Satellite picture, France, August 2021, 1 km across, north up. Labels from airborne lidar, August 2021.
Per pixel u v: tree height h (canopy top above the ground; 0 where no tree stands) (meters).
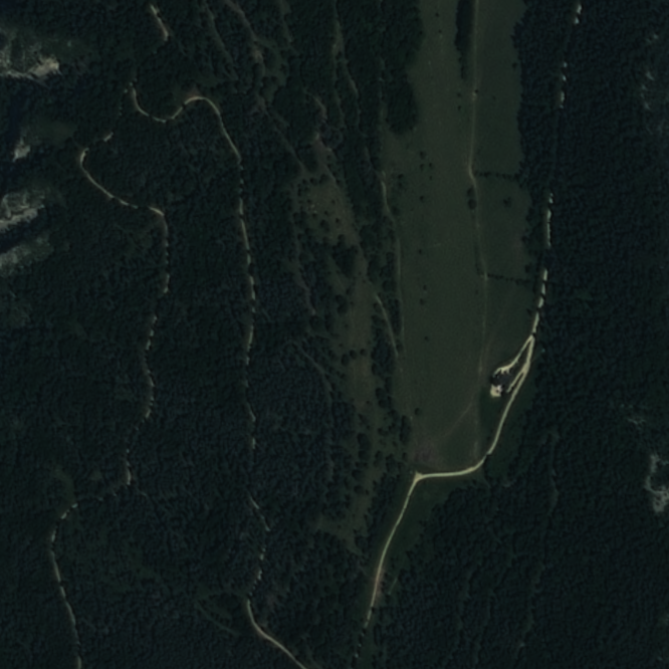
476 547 15
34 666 14
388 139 0
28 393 19
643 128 12
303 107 10
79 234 10
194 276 14
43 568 15
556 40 14
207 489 19
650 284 15
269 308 22
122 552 12
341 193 0
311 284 14
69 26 11
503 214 0
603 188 20
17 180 11
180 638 18
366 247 10
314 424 22
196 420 18
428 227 0
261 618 19
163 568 14
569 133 22
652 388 18
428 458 0
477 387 0
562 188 20
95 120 9
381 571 0
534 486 16
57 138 0
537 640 17
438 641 10
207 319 12
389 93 12
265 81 10
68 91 12
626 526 16
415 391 0
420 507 0
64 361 14
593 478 15
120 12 11
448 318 0
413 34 20
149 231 6
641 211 17
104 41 13
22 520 11
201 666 13
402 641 16
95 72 11
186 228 11
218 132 15
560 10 25
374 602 0
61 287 18
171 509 23
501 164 0
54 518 15
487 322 0
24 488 14
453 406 0
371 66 16
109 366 9
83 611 16
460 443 0
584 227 14
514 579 15
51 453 11
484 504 19
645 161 14
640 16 16
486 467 10
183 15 11
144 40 15
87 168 9
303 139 14
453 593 17
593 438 15
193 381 15
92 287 14
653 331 9
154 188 16
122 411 13
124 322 14
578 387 22
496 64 0
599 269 16
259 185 14
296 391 19
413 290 0
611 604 13
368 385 0
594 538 13
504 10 0
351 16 16
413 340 0
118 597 7
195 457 13
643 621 15
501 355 0
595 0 17
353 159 17
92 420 15
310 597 14
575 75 21
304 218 9
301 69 8
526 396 0
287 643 13
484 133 0
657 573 16
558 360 9
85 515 12
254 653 16
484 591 17
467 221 0
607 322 10
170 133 15
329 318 13
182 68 11
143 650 12
